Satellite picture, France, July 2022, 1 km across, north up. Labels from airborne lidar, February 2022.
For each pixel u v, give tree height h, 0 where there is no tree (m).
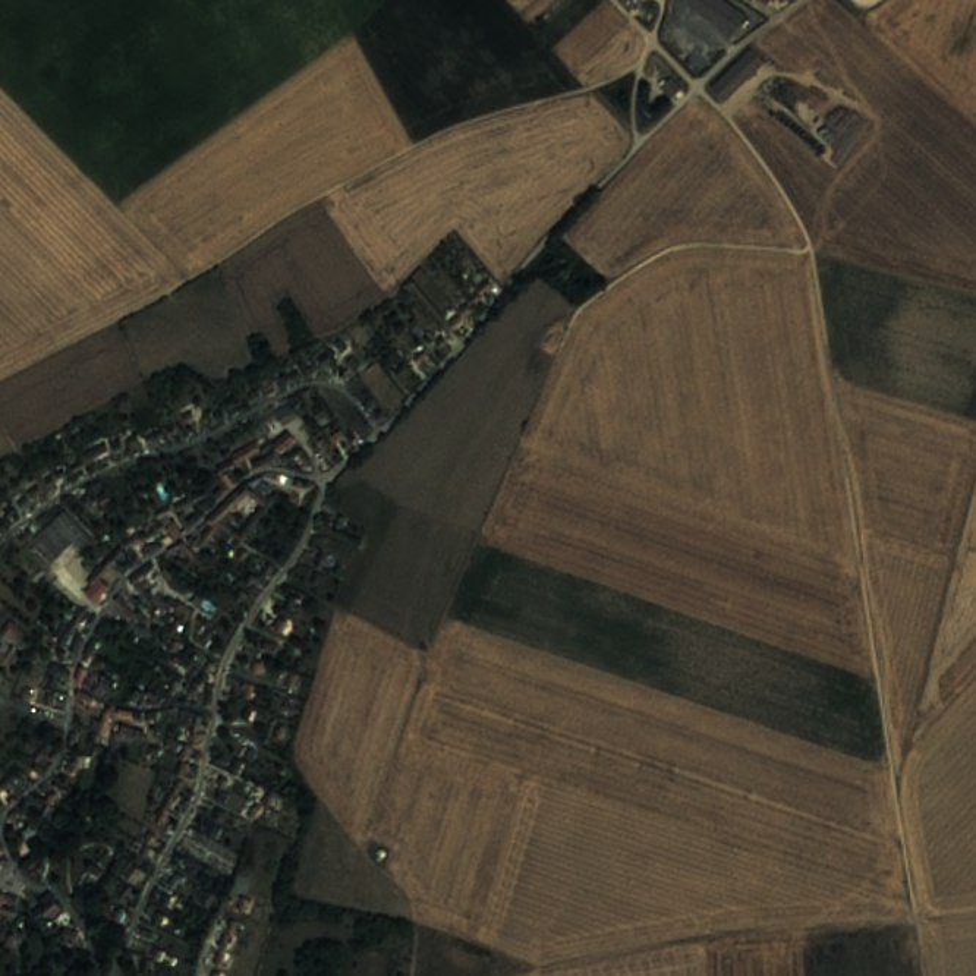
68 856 7
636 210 0
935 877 0
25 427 0
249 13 0
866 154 0
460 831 0
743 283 0
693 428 0
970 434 0
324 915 9
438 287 0
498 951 0
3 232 0
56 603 8
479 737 0
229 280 0
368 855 0
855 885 0
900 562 0
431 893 0
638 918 0
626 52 0
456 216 0
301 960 8
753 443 0
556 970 0
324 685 0
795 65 0
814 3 0
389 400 0
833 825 0
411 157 0
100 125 0
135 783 0
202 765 0
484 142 0
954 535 0
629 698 0
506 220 0
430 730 0
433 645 0
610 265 0
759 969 0
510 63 0
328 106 0
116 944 14
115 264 0
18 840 17
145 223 0
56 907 0
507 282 0
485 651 0
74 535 0
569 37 0
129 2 0
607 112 0
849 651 0
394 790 0
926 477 0
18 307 0
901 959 0
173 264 0
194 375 10
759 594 0
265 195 0
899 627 0
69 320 0
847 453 0
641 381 0
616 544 0
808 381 0
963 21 0
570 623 0
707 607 0
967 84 0
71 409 0
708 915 0
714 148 0
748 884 0
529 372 0
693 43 0
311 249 0
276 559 6
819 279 0
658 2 0
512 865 0
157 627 8
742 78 0
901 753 0
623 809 0
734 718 0
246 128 0
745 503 0
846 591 0
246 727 0
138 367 0
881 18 0
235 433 8
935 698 0
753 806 0
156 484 9
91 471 9
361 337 0
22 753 8
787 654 0
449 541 0
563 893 0
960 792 0
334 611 0
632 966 0
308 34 0
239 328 0
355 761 0
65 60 0
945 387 0
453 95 0
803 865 0
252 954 0
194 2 0
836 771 0
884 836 0
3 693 0
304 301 0
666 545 0
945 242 0
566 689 0
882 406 0
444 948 0
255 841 0
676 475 0
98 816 8
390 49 0
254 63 0
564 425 0
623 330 0
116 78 0
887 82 0
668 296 0
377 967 0
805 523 0
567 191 0
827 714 0
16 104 0
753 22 0
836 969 0
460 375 0
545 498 0
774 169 0
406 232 0
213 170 0
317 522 7
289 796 10
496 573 0
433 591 0
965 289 0
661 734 0
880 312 0
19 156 0
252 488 0
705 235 0
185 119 0
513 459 0
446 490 0
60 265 0
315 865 0
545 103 0
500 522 0
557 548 0
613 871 0
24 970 9
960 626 0
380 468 0
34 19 0
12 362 0
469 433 0
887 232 0
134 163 0
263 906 0
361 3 0
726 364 0
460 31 0
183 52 0
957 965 0
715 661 0
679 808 0
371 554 0
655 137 0
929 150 0
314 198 0
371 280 0
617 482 0
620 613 0
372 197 0
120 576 0
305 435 0
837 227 0
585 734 0
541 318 0
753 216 0
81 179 0
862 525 0
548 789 0
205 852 0
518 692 0
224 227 0
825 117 0
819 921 0
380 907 0
